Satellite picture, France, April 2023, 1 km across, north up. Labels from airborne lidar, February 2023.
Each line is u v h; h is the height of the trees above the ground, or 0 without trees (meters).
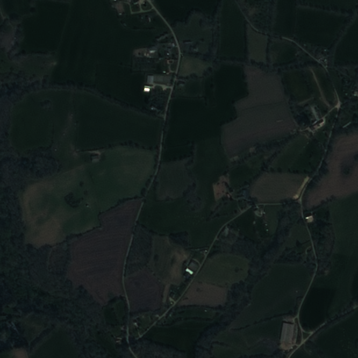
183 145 0
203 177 0
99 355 16
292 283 0
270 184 0
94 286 0
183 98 0
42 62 0
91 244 0
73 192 0
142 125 0
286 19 0
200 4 0
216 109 0
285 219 29
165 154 0
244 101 0
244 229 0
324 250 8
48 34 0
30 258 24
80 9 0
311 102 0
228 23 0
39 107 0
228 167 7
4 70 0
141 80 0
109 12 0
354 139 0
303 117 21
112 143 0
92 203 0
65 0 8
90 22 0
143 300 0
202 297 0
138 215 0
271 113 0
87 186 0
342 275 0
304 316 0
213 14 9
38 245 0
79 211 0
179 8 0
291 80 0
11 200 18
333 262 0
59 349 0
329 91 0
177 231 0
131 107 10
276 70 10
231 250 12
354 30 0
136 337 0
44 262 12
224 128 0
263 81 0
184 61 0
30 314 8
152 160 0
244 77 9
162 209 0
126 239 0
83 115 0
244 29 12
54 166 18
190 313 0
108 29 0
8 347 26
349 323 0
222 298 0
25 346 19
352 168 0
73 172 0
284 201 0
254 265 20
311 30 0
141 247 9
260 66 15
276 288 0
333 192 0
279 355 14
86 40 0
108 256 0
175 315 12
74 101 0
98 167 0
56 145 0
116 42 0
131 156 0
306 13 0
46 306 6
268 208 0
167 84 0
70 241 12
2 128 18
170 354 15
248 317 0
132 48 0
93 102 0
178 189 0
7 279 11
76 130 0
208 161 0
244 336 0
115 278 0
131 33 0
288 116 0
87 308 20
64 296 21
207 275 0
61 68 0
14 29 0
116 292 0
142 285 0
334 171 0
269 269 10
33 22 0
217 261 0
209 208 0
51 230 0
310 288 0
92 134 0
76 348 15
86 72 0
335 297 0
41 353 0
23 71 0
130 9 0
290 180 0
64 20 0
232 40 0
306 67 14
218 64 18
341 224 0
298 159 0
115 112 0
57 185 0
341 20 0
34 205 0
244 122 0
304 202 0
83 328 26
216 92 0
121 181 0
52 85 13
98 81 0
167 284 0
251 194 0
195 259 0
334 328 0
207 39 0
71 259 10
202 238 0
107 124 0
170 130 0
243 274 0
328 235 8
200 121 0
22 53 12
